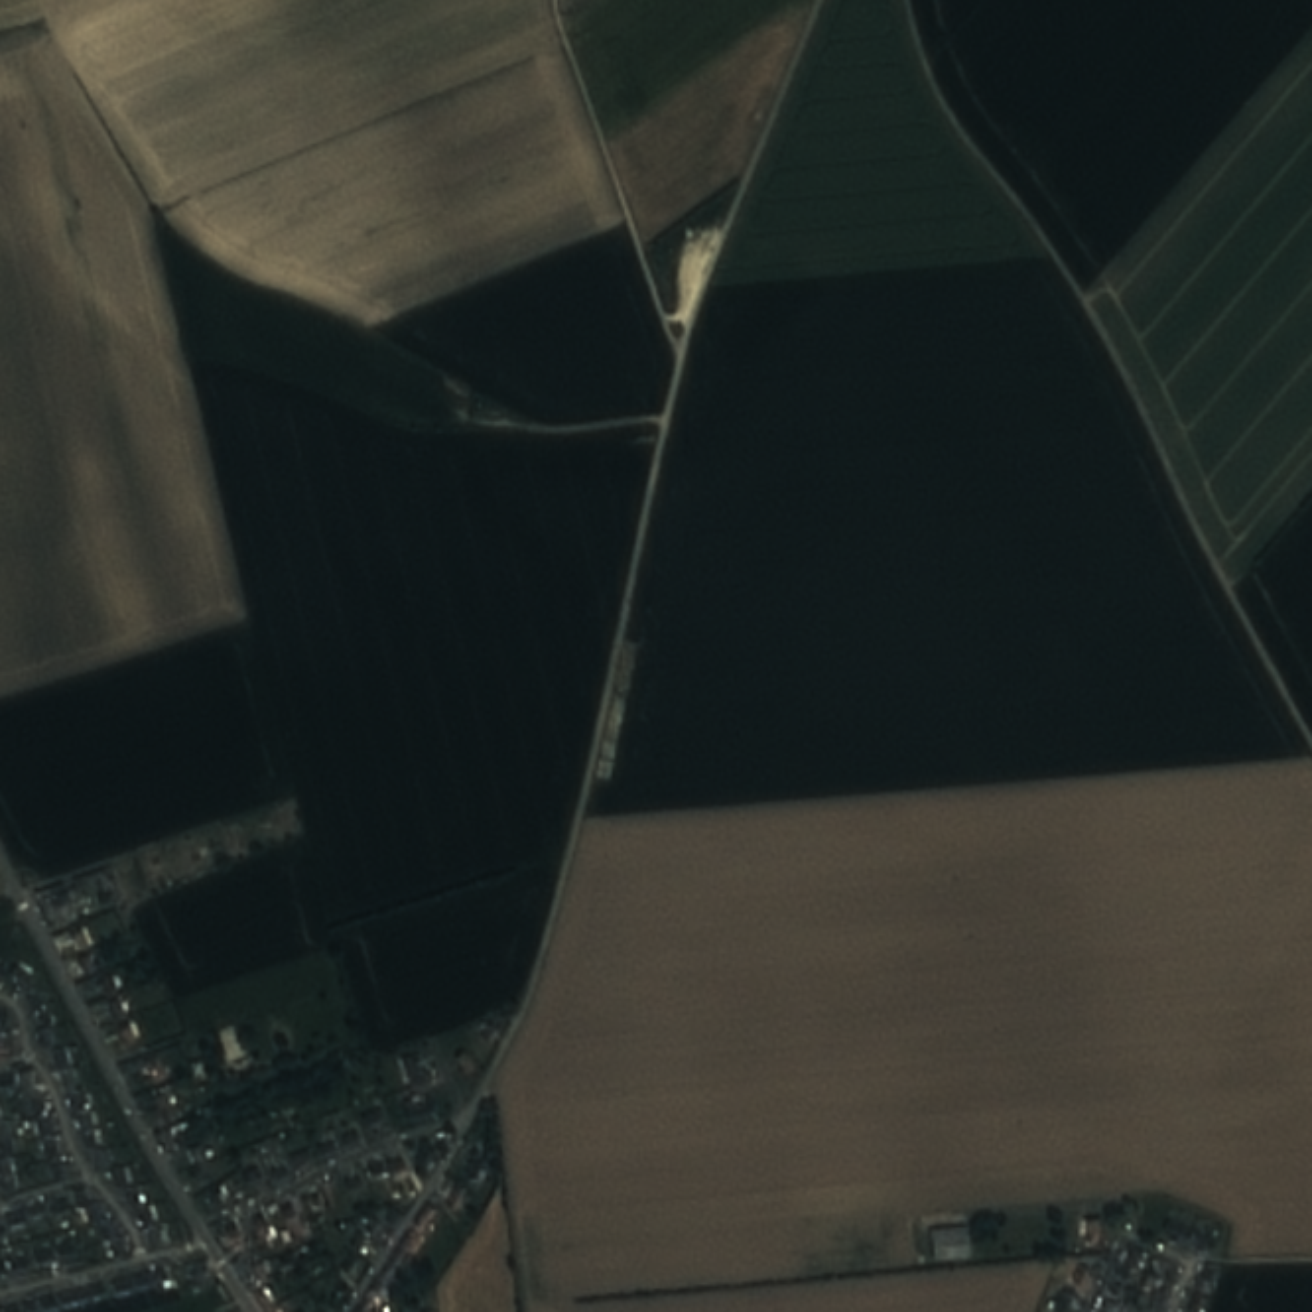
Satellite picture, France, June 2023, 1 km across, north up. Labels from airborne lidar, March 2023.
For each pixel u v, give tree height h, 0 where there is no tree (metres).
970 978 0
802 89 0
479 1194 0
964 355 0
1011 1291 0
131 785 0
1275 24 0
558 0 0
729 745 0
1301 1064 0
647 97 0
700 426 0
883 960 0
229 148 0
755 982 0
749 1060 0
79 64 0
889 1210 0
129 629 0
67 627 0
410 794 0
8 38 0
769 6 0
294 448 0
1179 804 0
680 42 0
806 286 0
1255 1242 0
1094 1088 0
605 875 0
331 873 0
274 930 0
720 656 0
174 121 0
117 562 0
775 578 0
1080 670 0
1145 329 0
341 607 0
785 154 0
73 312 0
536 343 0
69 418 0
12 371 0
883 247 0
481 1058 0
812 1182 0
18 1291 0
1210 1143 0
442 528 0
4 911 0
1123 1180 0
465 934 0
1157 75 0
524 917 0
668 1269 0
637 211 0
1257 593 0
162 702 0
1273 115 0
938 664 0
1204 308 0
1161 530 0
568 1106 0
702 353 0
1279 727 0
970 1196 0
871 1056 0
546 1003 0
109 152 0
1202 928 0
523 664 0
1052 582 0
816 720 0
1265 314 0
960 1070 0
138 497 0
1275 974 0
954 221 0
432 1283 7
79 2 0
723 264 0
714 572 0
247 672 0
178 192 0
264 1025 0
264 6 0
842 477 0
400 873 0
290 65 0
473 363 0
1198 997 0
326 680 0
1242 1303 0
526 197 0
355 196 0
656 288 0
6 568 0
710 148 0
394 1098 0
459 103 0
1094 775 0
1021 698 0
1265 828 0
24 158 0
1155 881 0
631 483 0
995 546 0
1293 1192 0
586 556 0
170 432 0
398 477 0
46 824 0
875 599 0
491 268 0
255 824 0
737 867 0
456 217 0
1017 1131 0
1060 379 0
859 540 0
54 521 0
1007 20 0
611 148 0
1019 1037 0
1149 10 0
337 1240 0
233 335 0
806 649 0
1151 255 0
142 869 0
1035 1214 0
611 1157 0
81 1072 0
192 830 0
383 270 0
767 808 0
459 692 0
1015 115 0
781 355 0
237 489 0
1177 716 0
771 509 0
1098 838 0
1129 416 0
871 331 0
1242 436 0
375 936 0
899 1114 0
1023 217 0
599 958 0
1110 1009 0
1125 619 0
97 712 0
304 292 0
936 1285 0
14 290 0
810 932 0
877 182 0
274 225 0
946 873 0
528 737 0
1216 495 0
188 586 0
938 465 0
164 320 0
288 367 0
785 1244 0
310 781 0
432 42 0
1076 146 0
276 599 0
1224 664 0
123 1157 0
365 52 0
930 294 0
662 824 0
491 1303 0
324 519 0
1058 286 0
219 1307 0
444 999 0
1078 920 0
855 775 0
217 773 0
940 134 0
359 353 0
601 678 0
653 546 0
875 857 0
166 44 0
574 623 0
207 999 0
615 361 0
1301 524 0
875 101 0
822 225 0
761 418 0
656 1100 0
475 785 0
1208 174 0
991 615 0
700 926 0
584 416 0
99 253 0
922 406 0
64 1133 0
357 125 0
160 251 0
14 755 0
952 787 0
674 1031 0
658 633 0
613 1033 0
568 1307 0
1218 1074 0
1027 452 0
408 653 0
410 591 0
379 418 0
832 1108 0
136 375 0
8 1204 0
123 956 7
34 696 0
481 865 0
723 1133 0
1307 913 0
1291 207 0
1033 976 0
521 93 0
